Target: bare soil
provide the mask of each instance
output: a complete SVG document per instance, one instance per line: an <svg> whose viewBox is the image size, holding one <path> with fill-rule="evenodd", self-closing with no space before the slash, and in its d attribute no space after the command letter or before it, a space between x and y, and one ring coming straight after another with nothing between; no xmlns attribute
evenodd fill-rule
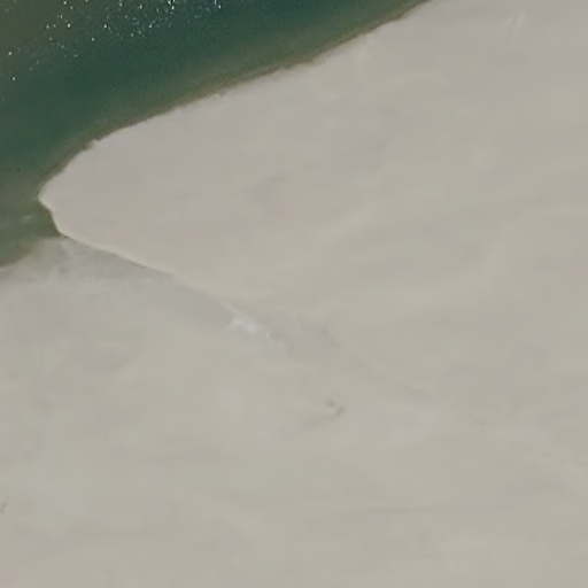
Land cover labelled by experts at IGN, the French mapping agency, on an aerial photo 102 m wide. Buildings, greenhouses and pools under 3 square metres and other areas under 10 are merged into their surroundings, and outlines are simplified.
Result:
<svg viewBox="0 0 588 588"><path fill-rule="evenodd" d="M386 23L354 41L347 41L319 55L312 64L299 64L294 69L276 71L271 76L237 85L221 94L204 96L195 103L179 106L165 115L156 115L140 124L119 129L101 140L94 140L90 149L71 158L69 165L60 175L55 175L41 191L41 204L53 214L55 227L60 230L57 239L41 239L34 243L34 250L25 255L21 262L0 266L0 588L588 588L588 0L430 0L411 9L404 18Z"/></svg>

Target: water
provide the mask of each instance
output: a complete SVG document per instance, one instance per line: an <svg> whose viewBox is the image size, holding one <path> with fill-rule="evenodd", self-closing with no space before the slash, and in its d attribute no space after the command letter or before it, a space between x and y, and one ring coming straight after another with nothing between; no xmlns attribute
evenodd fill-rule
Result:
<svg viewBox="0 0 588 588"><path fill-rule="evenodd" d="M0 0L0 266L21 262L25 255L34 250L34 243L41 239L57 239L60 230L55 227L53 214L41 204L41 191L55 175L60 175L69 165L71 158L90 149L94 140L101 140L119 129L140 124L156 115L165 115L179 106L195 103L204 96L221 94L237 85L271 76L276 71L294 69L299 64L312 64L319 55L347 41L354 41L386 23L404 18L411 9L430 0Z"/></svg>

